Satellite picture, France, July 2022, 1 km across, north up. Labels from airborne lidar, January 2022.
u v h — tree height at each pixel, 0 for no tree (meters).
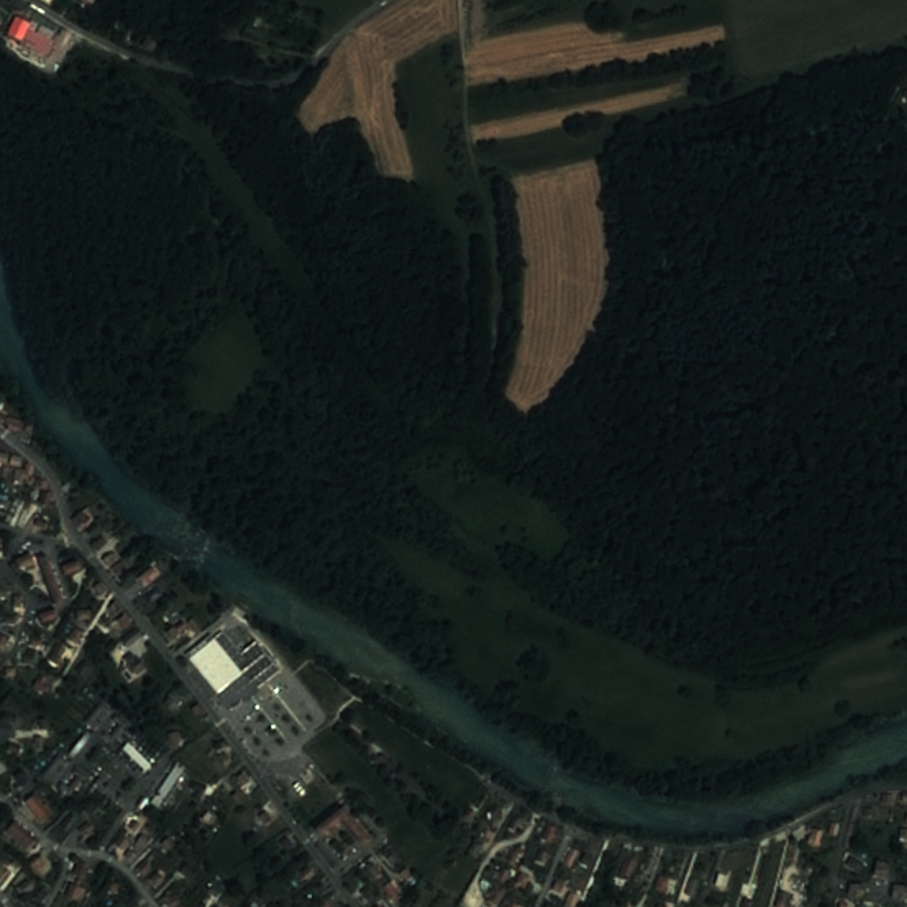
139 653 0
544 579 22
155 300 23
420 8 0
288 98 16
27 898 7
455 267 14
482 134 0
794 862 0
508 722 6
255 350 0
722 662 11
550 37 0
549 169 0
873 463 28
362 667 0
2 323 0
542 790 0
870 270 29
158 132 15
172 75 8
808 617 21
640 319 28
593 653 0
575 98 0
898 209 28
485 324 17
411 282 23
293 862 8
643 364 25
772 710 0
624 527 21
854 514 27
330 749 0
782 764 15
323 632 0
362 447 10
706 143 24
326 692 0
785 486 29
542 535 0
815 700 0
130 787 11
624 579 23
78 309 37
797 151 28
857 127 30
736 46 0
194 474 6
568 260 0
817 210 29
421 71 0
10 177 36
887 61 17
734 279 27
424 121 0
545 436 18
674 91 0
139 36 6
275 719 0
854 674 0
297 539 20
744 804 0
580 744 7
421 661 25
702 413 23
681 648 24
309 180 20
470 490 0
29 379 0
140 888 0
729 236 25
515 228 22
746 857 0
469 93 0
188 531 0
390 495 18
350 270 24
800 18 0
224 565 0
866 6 0
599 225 0
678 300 31
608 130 0
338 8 0
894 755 0
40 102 39
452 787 0
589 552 7
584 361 17
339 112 0
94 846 12
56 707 0
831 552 28
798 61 0
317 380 11
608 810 0
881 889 0
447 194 0
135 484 0
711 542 28
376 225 22
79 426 0
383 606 16
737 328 34
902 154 21
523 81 0
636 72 17
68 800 10
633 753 0
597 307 0
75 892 0
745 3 0
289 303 17
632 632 14
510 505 0
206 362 0
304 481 6
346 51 0
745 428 30
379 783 0
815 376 28
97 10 14
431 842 0
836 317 23
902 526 24
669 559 21
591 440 27
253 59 9
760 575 27
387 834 0
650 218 26
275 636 16
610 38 0
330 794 0
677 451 28
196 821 7
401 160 0
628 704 0
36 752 8
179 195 37
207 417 11
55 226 37
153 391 15
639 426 31
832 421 26
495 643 0
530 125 0
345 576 18
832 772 0
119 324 34
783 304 31
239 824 0
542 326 0
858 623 21
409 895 9
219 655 0
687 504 27
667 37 0
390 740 0
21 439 0
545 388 0
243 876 0
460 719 0
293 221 7
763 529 22
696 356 33
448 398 16
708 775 7
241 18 15
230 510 20
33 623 0
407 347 19
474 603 0
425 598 19
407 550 0
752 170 25
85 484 16
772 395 25
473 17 0
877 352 29
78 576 0
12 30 0
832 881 0
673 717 0
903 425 28
